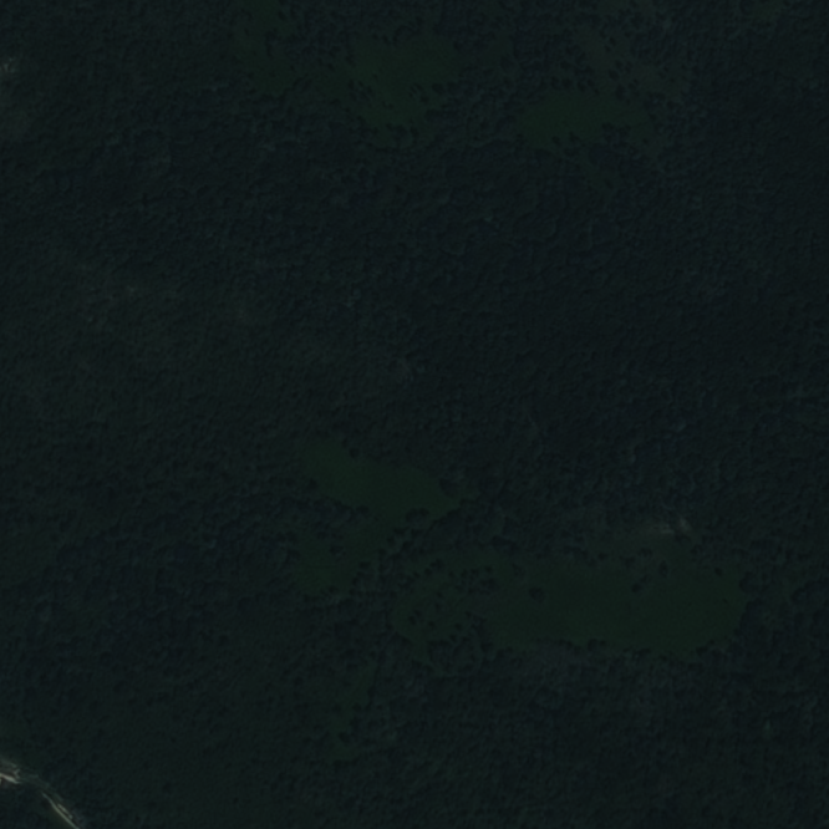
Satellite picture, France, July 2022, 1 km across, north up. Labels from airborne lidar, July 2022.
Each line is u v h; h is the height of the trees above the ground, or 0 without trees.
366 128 20
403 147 19
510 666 9
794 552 18
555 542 23
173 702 11
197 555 20
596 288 27
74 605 12
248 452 21
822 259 25
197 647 28
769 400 10
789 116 31
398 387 17
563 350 29
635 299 8
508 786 25
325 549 0
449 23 19
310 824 11
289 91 10
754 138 20
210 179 30
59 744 14
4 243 8
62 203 16
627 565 18
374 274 23
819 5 20
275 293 13
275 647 14
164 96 11
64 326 9
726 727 11
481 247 30
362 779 16
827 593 30
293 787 20
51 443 6
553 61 19
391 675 11
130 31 10
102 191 28
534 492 10
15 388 12
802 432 25
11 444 16
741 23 7
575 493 28
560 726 23
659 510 18
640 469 26
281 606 20
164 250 18
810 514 20
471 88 17
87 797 13
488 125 20
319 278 26
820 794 17
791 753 8
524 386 19
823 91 21
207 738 17
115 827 18
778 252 21
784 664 28
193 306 8
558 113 0
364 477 0
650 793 11
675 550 0
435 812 19
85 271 6
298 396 15
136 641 28
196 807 12
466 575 14
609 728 21
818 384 16
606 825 22
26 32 14
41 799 7
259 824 10
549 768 19
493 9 0
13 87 11
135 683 9
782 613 26
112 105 16
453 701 17
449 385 26
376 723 20
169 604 24
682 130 14
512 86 20
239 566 17
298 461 8
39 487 8
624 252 20
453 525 18
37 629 29
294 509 22
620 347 22
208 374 17
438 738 15
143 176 29
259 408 15
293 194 25
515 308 24
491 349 27
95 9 14
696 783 13
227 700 11
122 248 18
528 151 10
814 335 22
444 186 13
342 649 19
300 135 23
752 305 24
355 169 12
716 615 0
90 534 11
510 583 0
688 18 17
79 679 26
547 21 12
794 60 11
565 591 0
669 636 0
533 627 0
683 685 8
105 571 18
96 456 13
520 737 22
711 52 13
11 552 10
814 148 30
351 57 14
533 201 20
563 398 27
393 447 10
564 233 26
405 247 30
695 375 32
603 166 25
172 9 12
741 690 23
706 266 14
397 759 28
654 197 18
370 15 19
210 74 13
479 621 14
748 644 26
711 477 26
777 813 8
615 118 0
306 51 19
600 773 16
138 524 23
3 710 12
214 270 12
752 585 21
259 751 15
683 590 0
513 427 23
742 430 28
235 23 20
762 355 32
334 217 28
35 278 7
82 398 9
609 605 0
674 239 19
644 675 9
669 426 10
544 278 27
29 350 12
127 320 11
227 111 28
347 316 26
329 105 11
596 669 18
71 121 6
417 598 0
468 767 16
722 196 10
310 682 10
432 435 14
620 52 0
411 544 15
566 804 17
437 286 32
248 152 25
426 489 0
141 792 13
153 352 9
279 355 16
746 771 9
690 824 11
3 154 18
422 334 24
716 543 14
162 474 6
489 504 8
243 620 11
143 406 15
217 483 12
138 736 9
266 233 21
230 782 11
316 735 10
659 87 0
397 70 0
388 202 11
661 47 18
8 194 14
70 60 17
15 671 9
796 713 23
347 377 11
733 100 30
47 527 11
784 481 21
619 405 21
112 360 15
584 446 18
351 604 18
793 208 25
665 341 25
